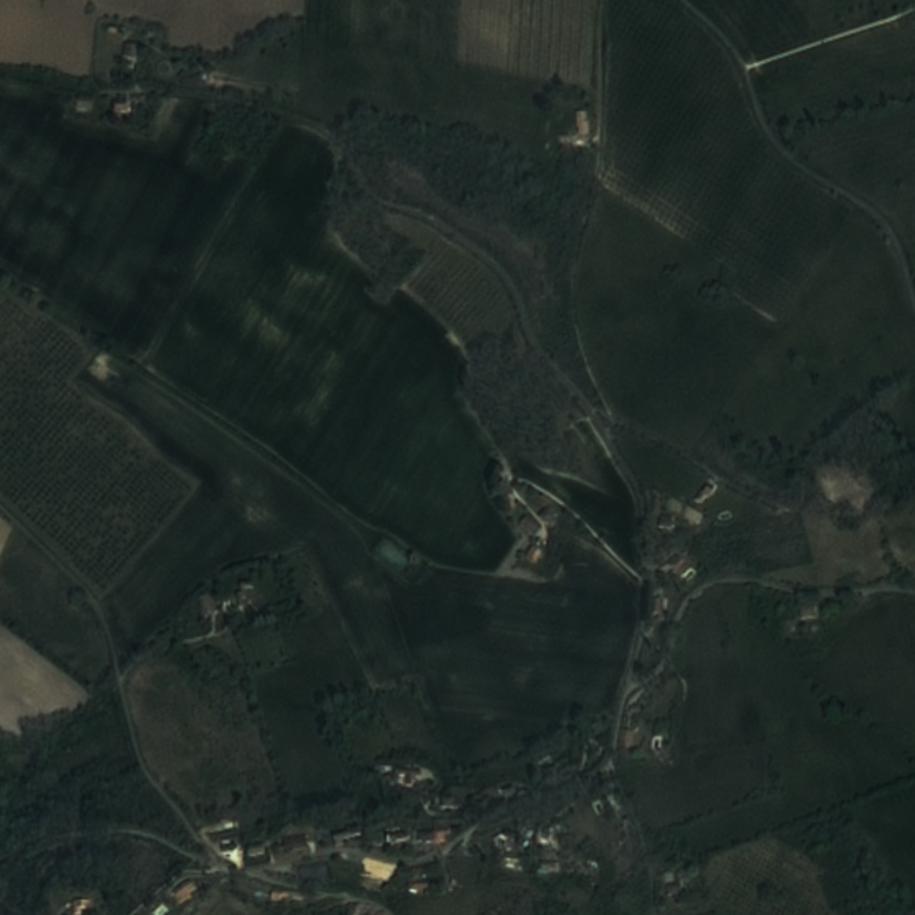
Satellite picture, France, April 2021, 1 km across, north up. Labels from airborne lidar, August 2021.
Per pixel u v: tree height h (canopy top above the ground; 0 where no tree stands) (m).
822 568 0
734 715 0
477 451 0
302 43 0
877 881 22
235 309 0
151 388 0
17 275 0
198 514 0
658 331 0
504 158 15
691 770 0
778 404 0
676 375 0
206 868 7
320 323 0
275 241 0
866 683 0
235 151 8
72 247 0
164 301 0
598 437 0
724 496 0
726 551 16
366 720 7
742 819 0
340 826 0
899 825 0
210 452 0
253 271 0
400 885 16
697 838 0
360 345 0
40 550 0
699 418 0
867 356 0
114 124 12
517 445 16
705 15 0
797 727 0
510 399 23
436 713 0
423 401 0
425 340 0
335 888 7
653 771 0
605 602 0
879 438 22
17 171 0
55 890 12
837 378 0
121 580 0
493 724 0
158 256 0
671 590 10
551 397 15
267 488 0
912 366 0
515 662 0
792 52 0
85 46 0
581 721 16
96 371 0
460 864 0
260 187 0
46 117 0
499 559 0
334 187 17
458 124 6
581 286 0
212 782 0
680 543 18
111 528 6
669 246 0
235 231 0
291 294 0
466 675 0
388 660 0
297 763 0
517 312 7
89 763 9
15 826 16
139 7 0
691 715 0
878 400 17
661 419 0
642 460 0
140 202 0
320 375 0
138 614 0
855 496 0
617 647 0
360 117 17
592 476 0
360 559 0
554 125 0
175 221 0
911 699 0
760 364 0
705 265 0
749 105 0
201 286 0
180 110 0
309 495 0
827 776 0
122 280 0
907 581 15
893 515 10
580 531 6
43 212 0
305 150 0
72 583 0
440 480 0
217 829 0
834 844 11
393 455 0
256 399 0
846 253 0
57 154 0
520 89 0
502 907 8
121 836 7
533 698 0
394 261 14
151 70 13
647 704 6
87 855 12
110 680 14
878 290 0
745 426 0
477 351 14
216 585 12
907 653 0
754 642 0
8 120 0
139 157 0
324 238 0
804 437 0
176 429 0
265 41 14
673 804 0
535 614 0
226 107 12
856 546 0
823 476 0
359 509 0
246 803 13
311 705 0
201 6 0
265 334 0
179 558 0
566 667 0
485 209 10
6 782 16
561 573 0
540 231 6
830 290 0
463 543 0
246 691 15
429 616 0
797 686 0
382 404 0
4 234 0
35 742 16
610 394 0
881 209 0
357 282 0
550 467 15
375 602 0
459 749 0
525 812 18
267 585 0
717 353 0
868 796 7
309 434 0
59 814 21
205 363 0
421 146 12
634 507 0
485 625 0
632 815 17
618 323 0
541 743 18
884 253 0
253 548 0
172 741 0
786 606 9
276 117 10
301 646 0
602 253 0
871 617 0
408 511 0
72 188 0
